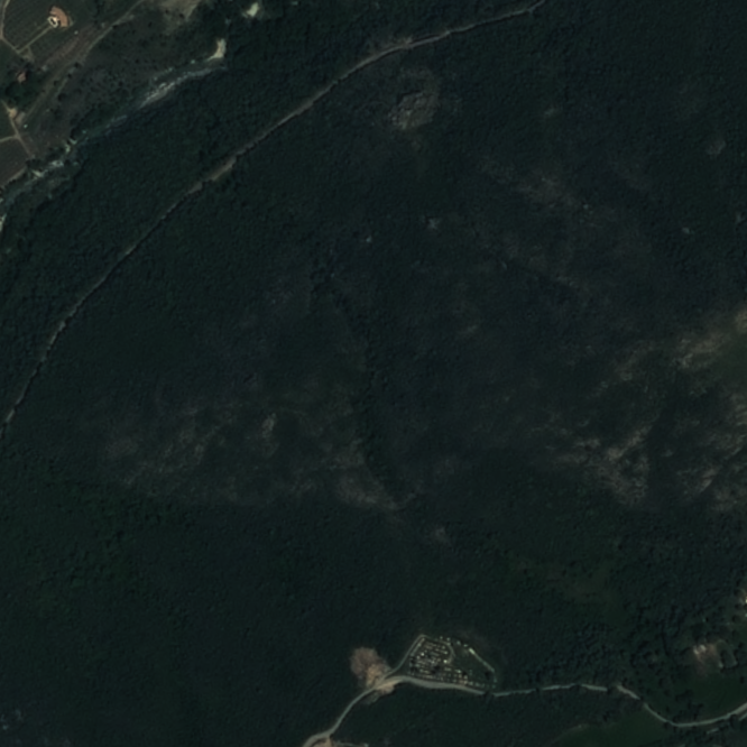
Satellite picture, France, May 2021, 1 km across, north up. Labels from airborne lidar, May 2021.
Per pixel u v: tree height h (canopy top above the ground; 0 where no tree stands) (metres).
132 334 6
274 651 7
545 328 5
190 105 10
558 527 6
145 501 9
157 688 6
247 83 12
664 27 8
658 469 7
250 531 6
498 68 7
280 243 10
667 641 17
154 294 7
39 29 0
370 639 6
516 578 0
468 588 7
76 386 5
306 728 7
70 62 0
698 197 7
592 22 7
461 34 11
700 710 12
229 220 7
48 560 6
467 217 5
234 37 13
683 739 11
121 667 8
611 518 8
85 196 13
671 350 0
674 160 6
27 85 11
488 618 6
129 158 6
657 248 7
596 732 0
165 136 7
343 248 6
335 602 8
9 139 0
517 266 6
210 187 13
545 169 0
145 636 7
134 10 0
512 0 7
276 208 16
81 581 14
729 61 6
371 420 7
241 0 16
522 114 7
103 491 12
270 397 0
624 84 12
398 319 8
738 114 7
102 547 11
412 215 7
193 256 9
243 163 11
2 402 6
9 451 13
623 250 0
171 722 6
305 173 8
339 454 0
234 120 13
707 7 10
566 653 7
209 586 6
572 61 10
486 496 7
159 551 6
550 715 6
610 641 12
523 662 6
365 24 11
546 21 21
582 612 7
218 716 8
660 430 7
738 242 8
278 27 20
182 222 12
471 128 6
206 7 6
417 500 12
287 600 8
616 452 0
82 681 7
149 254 9
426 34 10
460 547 6
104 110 8
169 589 7
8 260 6
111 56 0
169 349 6
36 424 6
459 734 7
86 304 8
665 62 6
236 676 6
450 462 0
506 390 0
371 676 0
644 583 7
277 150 9
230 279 7
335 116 6
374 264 6
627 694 7
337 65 15
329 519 10
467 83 8
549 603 7
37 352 18
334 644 8
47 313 7
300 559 8
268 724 6
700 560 7
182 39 7
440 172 7
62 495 7
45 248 11
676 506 6
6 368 9
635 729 0
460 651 0
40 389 7
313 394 0
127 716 5
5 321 9
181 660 6
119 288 7
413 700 6
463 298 0
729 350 0
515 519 5
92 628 7
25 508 7
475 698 7
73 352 5
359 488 0
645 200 7
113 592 9
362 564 6
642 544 9
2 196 8
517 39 11
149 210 9
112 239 13
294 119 9
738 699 0
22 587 7
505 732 6
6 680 7
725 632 14
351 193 8
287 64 10
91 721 6
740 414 0
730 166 8
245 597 7
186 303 7
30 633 7
